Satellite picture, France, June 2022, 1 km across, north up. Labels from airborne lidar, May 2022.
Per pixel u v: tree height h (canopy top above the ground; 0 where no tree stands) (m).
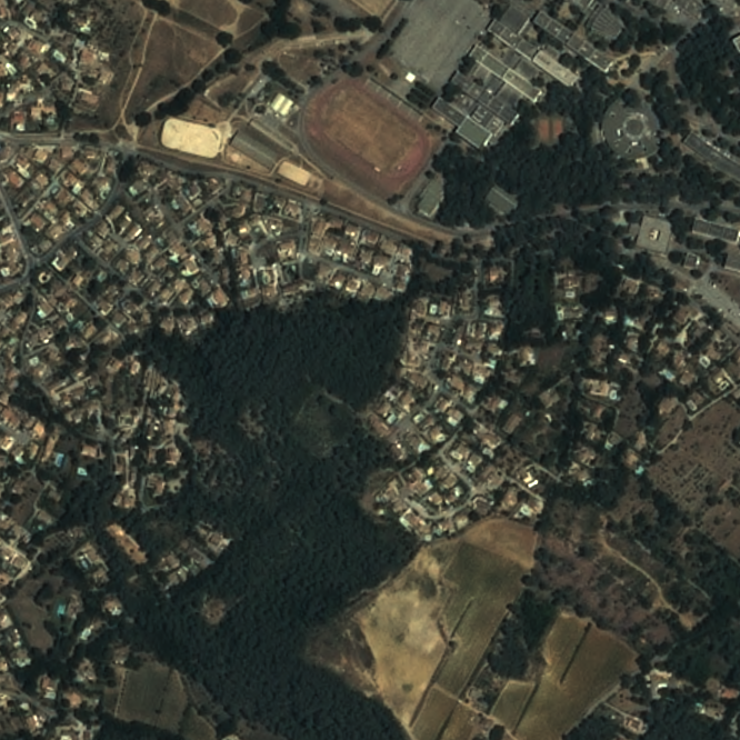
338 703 23
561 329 7
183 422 21
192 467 8
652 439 9
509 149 18
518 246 23
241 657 23
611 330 9
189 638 19
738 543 0
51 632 7
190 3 0
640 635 6
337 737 22
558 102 19
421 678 0
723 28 26
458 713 0
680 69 10
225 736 13
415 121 0
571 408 11
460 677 0
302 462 19
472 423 13
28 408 10
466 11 0
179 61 0
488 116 0
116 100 0
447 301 8
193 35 0
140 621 17
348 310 13
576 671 0
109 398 0
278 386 16
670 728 22
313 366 17
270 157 0
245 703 27
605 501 20
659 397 12
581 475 0
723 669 0
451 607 0
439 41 0
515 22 0
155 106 0
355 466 17
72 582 20
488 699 6
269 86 9
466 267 15
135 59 0
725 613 18
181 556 8
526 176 19
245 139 0
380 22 12
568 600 22
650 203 22
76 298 10
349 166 0
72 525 14
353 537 16
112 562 12
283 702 24
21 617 0
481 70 0
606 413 7
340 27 11
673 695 11
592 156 21
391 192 0
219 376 20
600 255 11
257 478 17
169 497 6
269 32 18
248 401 18
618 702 0
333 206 0
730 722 11
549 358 0
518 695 0
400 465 6
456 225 20
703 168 9
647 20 13
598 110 9
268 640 20
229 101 12
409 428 0
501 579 0
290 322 18
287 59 0
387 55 9
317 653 0
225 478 16
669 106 22
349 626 0
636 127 0
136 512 8
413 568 0
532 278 21
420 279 16
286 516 21
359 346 17
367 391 15
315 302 19
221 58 0
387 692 0
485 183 19
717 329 8
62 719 11
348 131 0
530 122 15
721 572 15
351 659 0
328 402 17
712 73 16
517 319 10
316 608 22
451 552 0
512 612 17
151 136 0
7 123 6
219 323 10
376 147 0
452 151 15
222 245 7
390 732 21
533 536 0
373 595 0
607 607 14
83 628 10
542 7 0
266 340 16
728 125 13
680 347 9
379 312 17
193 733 0
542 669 0
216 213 11
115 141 0
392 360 17
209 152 0
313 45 0
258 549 19
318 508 19
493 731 9
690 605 7
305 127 0
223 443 21
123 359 7
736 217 11
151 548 21
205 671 15
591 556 24
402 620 0
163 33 0
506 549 0
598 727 21
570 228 23
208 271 0
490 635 0
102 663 8
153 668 0
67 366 7
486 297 10
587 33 0
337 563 15
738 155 18
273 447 14
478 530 0
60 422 9
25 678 14
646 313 14
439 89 0
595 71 15
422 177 0
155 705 0
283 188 0
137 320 6
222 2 0
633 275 14
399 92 0
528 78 0
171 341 12
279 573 15
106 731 14
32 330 6
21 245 0
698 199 22
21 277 6
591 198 13
